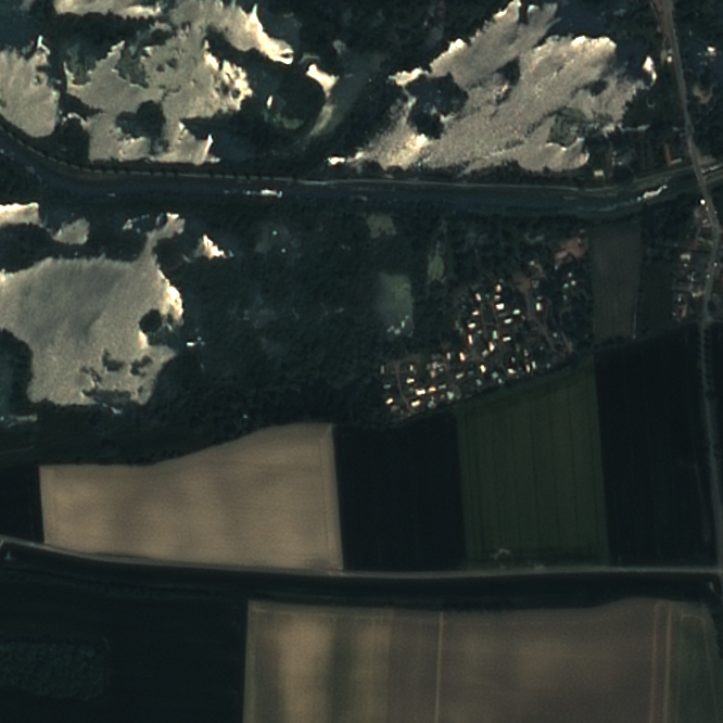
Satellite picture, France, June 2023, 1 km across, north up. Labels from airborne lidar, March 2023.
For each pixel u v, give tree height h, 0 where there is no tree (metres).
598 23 0
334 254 6
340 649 0
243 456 0
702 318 0
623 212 0
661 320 0
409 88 0
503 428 0
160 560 0
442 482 0
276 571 0
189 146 0
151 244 0
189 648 0
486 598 0
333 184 0
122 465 0
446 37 10
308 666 0
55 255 0
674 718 0
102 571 0
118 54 0
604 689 0
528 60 0
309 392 23
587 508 0
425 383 8
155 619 0
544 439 0
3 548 0
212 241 0
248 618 0
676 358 0
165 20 0
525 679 0
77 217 0
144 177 0
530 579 0
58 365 0
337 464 0
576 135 0
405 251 8
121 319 0
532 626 0
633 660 0
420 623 0
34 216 0
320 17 27
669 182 0
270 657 0
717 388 0
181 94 0
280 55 0
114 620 0
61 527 0
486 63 0
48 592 0
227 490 0
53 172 0
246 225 8
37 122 0
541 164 0
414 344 6
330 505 0
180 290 0
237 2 0
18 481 0
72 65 0
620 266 0
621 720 0
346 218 13
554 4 0
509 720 0
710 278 0
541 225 8
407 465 0
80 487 0
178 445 0
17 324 0
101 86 0
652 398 0
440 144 0
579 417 0
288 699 0
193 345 0
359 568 0
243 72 0
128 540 0
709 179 0
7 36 0
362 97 0
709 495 0
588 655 0
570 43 0
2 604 0
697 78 14
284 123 0
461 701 0
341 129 8
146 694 0
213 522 0
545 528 0
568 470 0
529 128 0
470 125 0
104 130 0
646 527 0
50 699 0
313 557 0
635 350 0
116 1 0
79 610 0
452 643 0
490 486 0
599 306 0
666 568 0
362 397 11
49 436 0
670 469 0
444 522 0
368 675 0
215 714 0
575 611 0
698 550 0
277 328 6
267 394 5
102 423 13
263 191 0
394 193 0
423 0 7
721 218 7
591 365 0
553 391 0
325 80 0
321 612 0
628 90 0
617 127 0
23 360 6
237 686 0
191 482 0
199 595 6
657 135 17
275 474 0
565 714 0
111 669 0
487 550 0
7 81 0
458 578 0
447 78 6
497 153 0
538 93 0
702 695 0
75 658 18
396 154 0
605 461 0
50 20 6
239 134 23
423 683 0
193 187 0
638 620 0
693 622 0
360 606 0
